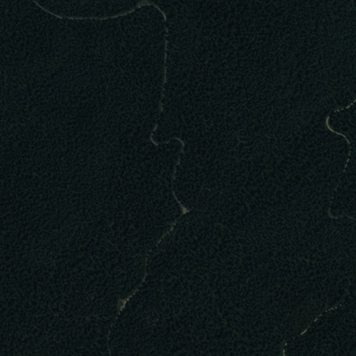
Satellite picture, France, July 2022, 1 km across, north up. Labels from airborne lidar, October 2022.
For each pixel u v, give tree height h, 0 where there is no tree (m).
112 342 11
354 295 24
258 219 22
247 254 27
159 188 14
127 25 24
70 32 22
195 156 25
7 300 18
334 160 21
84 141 21
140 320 17
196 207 20
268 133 26
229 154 24
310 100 22
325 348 16
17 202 23
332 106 13
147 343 13
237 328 8
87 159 19
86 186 13
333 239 20
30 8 21
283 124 22
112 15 9
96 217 17
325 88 22
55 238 13
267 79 25
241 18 16
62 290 18
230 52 14
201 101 21
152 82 22
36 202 25
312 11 7
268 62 8
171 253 12
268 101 23
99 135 15
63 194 17
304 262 11
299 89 18
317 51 22
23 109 7
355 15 21
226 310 20
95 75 21
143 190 27
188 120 15
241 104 28
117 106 24
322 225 18
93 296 13
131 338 20
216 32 28
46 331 11
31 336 9
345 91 23
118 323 22
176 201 19
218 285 27
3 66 21
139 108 8
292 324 8
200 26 16
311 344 12
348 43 20
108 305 26
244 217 18
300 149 30
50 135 20
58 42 21
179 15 21
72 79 11
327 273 25
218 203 15
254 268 24
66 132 8
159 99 8
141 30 26
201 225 23
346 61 20
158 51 10
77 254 22
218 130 19
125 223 31
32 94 22
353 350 27
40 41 12
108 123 13
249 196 34
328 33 22
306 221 27
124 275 17
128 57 8
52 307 11
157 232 17
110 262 23
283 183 12
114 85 6
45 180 26
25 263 17
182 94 15
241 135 11
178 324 33
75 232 13
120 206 16
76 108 7
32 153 25
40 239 21
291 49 23
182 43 28
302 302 14
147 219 16
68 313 16
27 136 17
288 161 30
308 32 21
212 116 10
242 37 6
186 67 13
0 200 20
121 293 17
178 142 17
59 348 21
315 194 18
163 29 28
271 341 33
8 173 14
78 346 11
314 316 14
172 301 12
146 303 16
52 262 19
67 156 25
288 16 13
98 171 16
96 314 19
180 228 19
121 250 16
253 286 21
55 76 18
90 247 16
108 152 18
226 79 24
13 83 11
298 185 28
